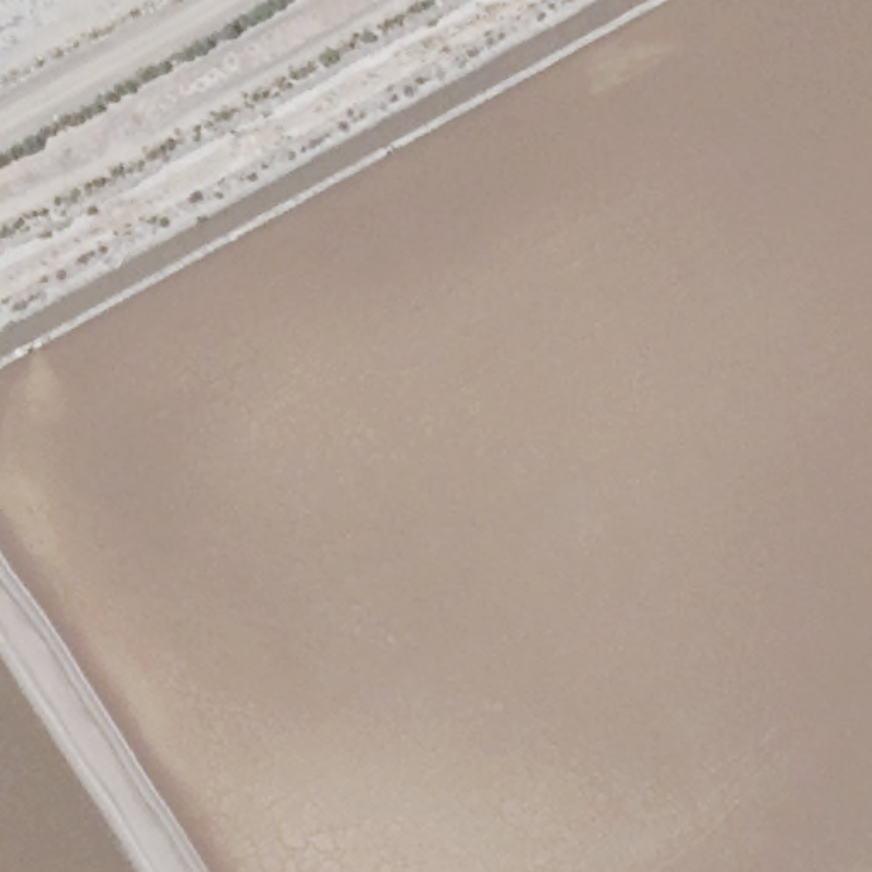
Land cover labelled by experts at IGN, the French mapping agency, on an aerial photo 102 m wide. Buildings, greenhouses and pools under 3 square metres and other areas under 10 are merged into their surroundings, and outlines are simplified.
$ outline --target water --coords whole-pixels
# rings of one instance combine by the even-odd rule
[[[51,307],[24,320],[14,320],[0,330],[0,354],[37,337],[41,330],[51,330],[78,310],[112,296],[140,276],[174,262],[201,242],[249,221],[276,201],[310,187],[313,181],[347,167],[351,160],[402,136],[405,129],[439,116],[443,109],[477,95],[504,75],[562,48],[565,41],[606,24],[610,17],[623,14],[640,0],[593,0],[579,14],[501,51],[487,65],[453,78],[450,85],[429,92],[416,106],[405,106],[378,119],[375,126],[330,146],[303,167],[269,181],[252,194],[242,194],[215,215],[198,218],[174,238],[164,238],[143,249],[140,255],[129,255],[119,269],[95,276],[92,283],[58,296]]]
[[[48,732],[44,719],[34,712],[14,671],[0,657],[0,872],[136,872],[102,807],[85,790],[68,756]]]
[[[123,739],[136,753],[157,794],[174,811],[177,824],[184,828],[187,841],[194,845],[208,872],[872,872],[872,0],[668,0],[657,10],[555,61],[535,78],[439,126],[436,133],[388,153],[375,167],[334,184],[307,204],[266,221],[238,242],[198,259],[170,279],[75,327],[72,334],[37,351],[27,351],[20,361],[0,371],[0,552],[7,555],[10,569],[20,576],[20,582],[31,589],[37,606],[48,613],[48,620],[68,644],[82,674],[102,698],[106,712],[119,726]]]

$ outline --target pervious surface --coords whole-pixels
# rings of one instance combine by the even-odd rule
[[[313,181],[310,187],[276,201],[249,221],[201,242],[174,262],[140,276],[112,296],[78,310],[51,330],[41,330],[37,337],[0,354],[0,371],[20,361],[27,351],[37,351],[72,334],[75,327],[170,279],[198,259],[238,242],[266,221],[307,204],[334,184],[375,167],[388,153],[436,133],[439,126],[535,78],[555,61],[657,10],[668,0],[640,0],[623,14],[610,17],[606,24],[565,41],[562,48],[504,75],[477,95],[443,109],[439,116],[405,129],[402,136],[351,160],[347,167]]]
[[[34,136],[44,123],[65,112],[82,109],[95,95],[109,92],[116,82],[129,78],[133,72],[164,61],[170,51],[181,51],[191,41],[211,34],[215,27],[232,24],[238,14],[249,14],[262,0],[0,0],[0,150]]]
[[[17,235],[0,245],[0,330],[14,320],[24,320],[51,307],[58,296],[92,283],[95,276],[119,269],[129,255],[140,255],[143,249],[164,238],[174,238],[198,218],[215,215],[242,194],[252,194],[269,181],[303,167],[330,146],[375,126],[378,119],[405,106],[416,106],[429,92],[450,85],[453,78],[487,65],[501,51],[579,14],[593,0],[439,0],[433,10],[416,17],[416,24],[392,31],[392,41],[368,44],[354,51],[354,58],[341,61],[334,48],[341,41],[347,41],[358,31],[368,31],[371,24],[382,24],[385,17],[405,10],[416,0],[293,0],[286,10],[249,27],[242,37],[218,44],[204,58],[177,65],[170,75],[160,75],[140,92],[112,102],[102,116],[51,136],[41,153],[31,153],[0,170],[0,225],[17,218],[20,211],[41,208],[44,201],[72,191],[75,184],[106,174],[116,164],[136,160],[143,150],[164,140],[177,140],[177,153],[170,160],[160,160],[136,184],[119,181],[116,187],[106,187],[72,204],[75,218],[65,232],[55,232],[51,238]],[[307,65],[317,55],[324,55],[327,68],[303,78],[300,89],[286,99],[259,102],[252,116],[232,123],[218,123],[211,116],[218,109],[242,102],[266,82],[276,82],[290,68]]]
[[[177,824],[174,811],[157,794],[136,753],[123,739],[119,726],[106,712],[102,698],[82,674],[68,644],[48,620],[48,613],[37,606],[31,589],[20,582],[20,576],[10,569],[7,555],[0,552],[0,657],[14,671],[34,712],[44,719],[48,732],[68,756],[85,790],[102,807],[136,872],[208,872],[194,845],[187,841],[184,828]]]

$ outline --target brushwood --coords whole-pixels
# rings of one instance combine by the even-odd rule
[[[31,153],[41,153],[51,136],[102,116],[112,102],[140,92],[160,75],[170,75],[177,65],[204,58],[218,44],[242,37],[249,27],[286,10],[293,0],[262,0],[249,14],[238,14],[232,24],[215,27],[211,34],[191,41],[181,51],[170,51],[164,61],[133,72],[129,78],[116,82],[109,92],[95,95],[82,109],[65,112],[44,123],[34,136],[0,150],[0,170]]]
[[[286,99],[300,89],[303,78],[327,68],[324,55],[317,55],[307,65],[290,68],[276,82],[266,82],[242,102],[218,109],[211,116],[218,123],[232,123],[252,116],[259,102]]]
[[[416,0],[405,10],[385,17],[382,24],[371,24],[368,31],[358,31],[347,41],[341,41],[334,48],[341,61],[354,58],[354,51],[368,44],[392,41],[392,31],[416,24],[416,17],[433,10],[439,0]]]
[[[0,245],[17,235],[51,238],[55,232],[65,232],[75,218],[72,204],[106,187],[116,187],[119,181],[136,184],[160,160],[170,160],[177,153],[177,140],[164,140],[143,150],[136,160],[116,164],[106,174],[75,184],[72,191],[44,201],[41,208],[20,211],[17,218],[0,225]]]

